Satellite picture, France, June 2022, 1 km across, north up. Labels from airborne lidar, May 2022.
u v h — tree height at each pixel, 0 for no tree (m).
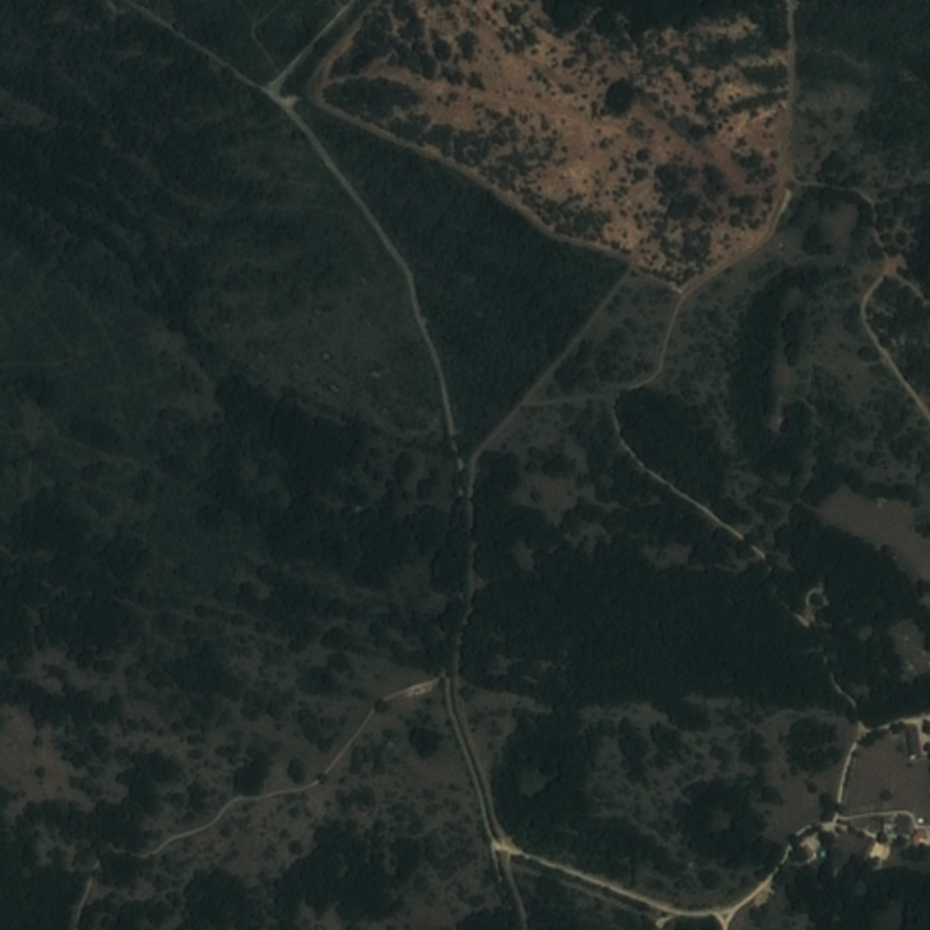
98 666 11
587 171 0
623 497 8
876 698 9
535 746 16
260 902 9
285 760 0
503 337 6
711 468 11
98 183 9
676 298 0
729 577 11
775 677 12
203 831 0
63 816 9
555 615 13
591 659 10
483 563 15
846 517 0
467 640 9
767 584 12
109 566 10
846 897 14
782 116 0
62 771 0
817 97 0
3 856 11
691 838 7
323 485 11
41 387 8
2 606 12
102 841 10
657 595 10
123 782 9
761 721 7
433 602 0
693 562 10
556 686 11
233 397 10
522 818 12
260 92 8
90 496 6
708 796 11
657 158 0
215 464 9
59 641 10
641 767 12
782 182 0
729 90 0
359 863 10
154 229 7
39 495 7
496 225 8
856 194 9
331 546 8
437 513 9
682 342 0
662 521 8
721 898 0
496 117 6
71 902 11
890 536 0
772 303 14
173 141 8
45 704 9
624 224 0
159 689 8
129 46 9
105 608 11
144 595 11
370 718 0
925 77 6
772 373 9
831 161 9
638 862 7
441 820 0
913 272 6
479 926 15
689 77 8
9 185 10
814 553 13
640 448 8
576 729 10
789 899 7
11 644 12
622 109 13
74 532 14
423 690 0
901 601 12
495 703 0
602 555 11
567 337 8
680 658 10
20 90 8
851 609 10
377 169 8
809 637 11
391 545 14
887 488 7
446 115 0
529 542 11
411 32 6
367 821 0
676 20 14
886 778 0
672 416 9
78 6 9
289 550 17
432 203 6
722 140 0
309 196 0
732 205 7
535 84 0
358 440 10
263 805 0
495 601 12
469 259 9
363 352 0
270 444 10
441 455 8
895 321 7
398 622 10
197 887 10
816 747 7
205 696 9
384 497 6
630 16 6
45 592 11
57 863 6
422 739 13
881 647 8
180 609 8
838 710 10
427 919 0
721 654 13
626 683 11
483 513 14
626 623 13
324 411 9
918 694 13
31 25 9
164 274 10
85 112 10
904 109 6
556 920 6
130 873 10
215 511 8
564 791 17
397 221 7
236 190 7
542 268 8
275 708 9
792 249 0
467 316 6
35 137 6
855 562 14
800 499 8
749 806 7
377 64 0
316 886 12
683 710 9
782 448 12
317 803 0
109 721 8
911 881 14
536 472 7
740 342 8
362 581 12
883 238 7
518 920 9
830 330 0
